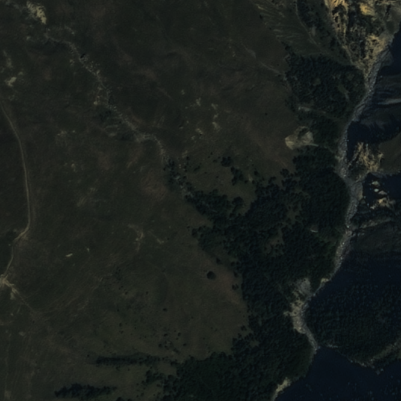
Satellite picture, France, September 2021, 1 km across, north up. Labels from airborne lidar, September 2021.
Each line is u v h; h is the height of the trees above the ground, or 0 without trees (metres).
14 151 0
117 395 0
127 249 0
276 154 0
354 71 7
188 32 0
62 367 0
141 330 0
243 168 0
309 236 10
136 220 0
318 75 20
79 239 0
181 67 0
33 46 0
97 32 0
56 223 0
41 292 0
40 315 0
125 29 0
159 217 0
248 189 0
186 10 0
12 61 0
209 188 0
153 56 0
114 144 0
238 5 0
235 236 12
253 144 0
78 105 0
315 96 14
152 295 0
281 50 0
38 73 0
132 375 0
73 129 0
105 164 0
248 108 0
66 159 0
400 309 8
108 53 0
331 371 7
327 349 0
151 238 0
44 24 0
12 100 0
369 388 0
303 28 0
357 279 7
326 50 0
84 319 0
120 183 0
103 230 0
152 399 0
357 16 14
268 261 14
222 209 9
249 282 14
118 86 0
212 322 0
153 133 0
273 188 14
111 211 0
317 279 7
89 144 0
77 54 0
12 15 0
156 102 0
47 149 0
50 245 0
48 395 0
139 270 0
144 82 0
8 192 0
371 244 0
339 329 10
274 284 10
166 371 0
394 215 6
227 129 0
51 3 0
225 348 0
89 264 0
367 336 6
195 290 0
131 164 0
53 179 0
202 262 0
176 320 0
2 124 0
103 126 0
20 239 0
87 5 0
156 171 0
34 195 0
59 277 0
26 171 0
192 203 11
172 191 0
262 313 26
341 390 10
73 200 0
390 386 12
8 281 0
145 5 0
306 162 11
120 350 0
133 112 0
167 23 0
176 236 0
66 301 0
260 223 17
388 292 13
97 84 0
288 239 14
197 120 0
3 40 0
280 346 30
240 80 0
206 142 0
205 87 0
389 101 0
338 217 18
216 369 8
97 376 0
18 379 0
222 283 0
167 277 0
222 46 0
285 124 0
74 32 0
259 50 0
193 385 17
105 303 0
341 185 9
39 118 0
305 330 0
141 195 0
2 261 0
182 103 0
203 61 0
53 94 0
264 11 0
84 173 0
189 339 0
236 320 0
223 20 0
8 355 0
